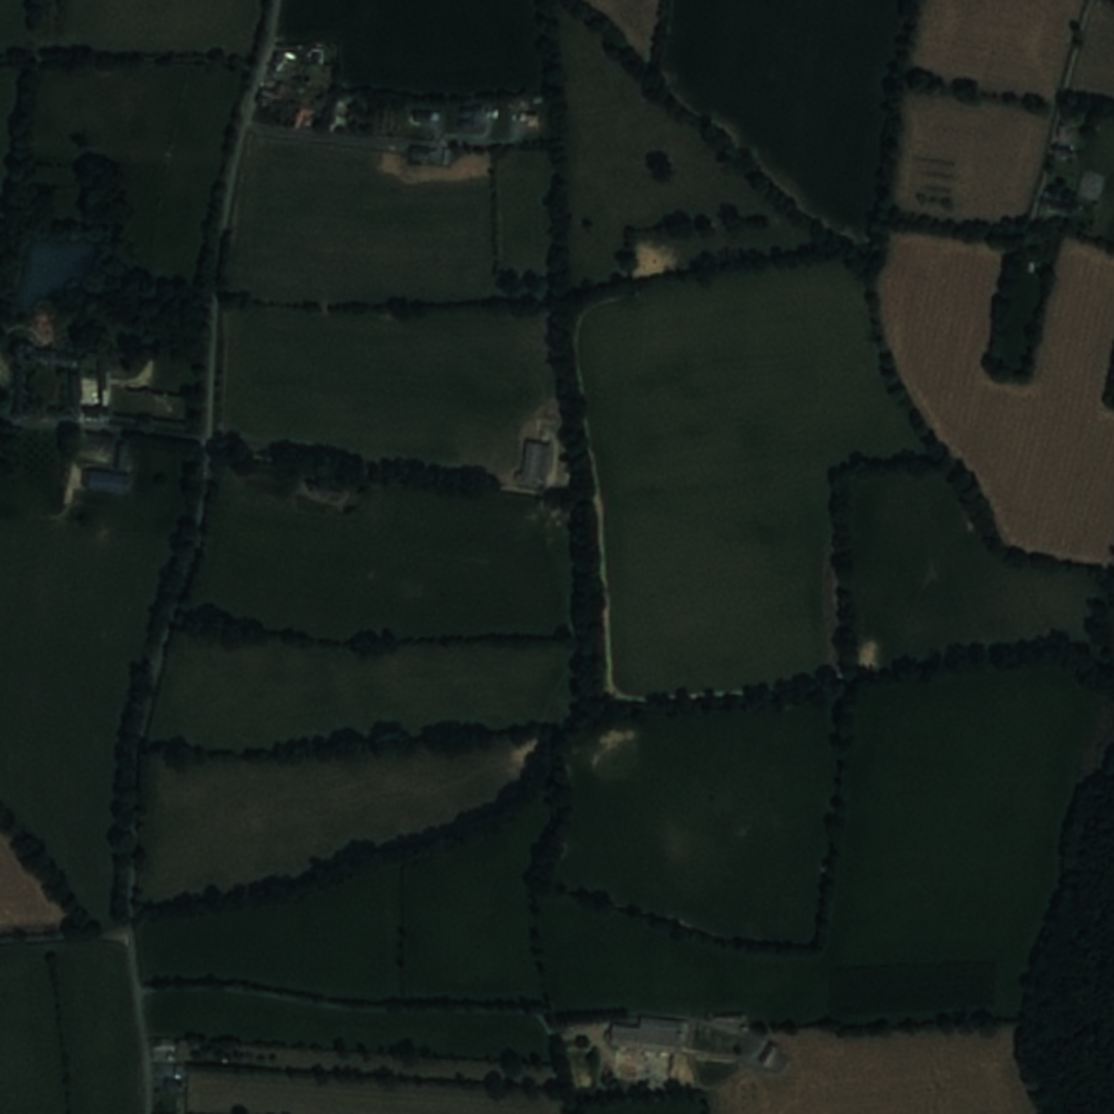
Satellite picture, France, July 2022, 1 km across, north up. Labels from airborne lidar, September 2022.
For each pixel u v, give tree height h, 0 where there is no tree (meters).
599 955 0
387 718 0
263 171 0
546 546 0
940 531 0
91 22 0
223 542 0
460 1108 0
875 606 0
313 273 0
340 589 0
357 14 0
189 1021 0
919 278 0
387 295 0
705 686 0
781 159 0
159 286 15
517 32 0
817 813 0
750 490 0
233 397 0
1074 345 0
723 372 0
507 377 0
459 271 0
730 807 0
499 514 0
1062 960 21
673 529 0
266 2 13
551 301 16
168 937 0
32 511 0
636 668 0
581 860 0
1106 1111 21
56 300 17
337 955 0
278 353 0
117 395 0
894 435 0
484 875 0
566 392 14
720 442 0
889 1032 12
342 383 0
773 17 0
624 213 0
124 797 19
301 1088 0
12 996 0
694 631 0
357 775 0
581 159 0
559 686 0
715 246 0
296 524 0
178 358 20
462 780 0
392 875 0
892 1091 0
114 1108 0
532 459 0
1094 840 19
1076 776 0
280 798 0
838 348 0
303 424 0
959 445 0
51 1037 0
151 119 0
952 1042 0
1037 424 0
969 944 0
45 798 0
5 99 0
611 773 0
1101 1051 17
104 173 23
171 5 0
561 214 16
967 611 0
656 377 0
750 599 0
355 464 21
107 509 0
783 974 0
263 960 0
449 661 0
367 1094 0
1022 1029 11
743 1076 0
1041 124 0
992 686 0
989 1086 0
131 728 17
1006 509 0
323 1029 0
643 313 0
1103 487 0
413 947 0
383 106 13
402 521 0
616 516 0
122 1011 0
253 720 0
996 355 8
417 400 0
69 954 0
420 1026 0
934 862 0
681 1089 21
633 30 0
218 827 0
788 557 0
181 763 21
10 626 0
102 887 0
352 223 0
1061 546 0
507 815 19
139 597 0
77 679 0
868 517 0
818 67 0
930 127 0
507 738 7
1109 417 0
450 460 0
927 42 0
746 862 0
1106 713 0
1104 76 0
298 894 18
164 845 0
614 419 0
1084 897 19
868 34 0
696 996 0
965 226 9
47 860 21
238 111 9
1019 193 0
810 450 0
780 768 0
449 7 0
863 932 0
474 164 0
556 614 0
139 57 14
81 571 0
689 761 0
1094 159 0
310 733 0
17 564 0
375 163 0
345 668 0
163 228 0
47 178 0
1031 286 0
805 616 0
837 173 0
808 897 0
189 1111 0
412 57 0
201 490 21
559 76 19
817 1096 0
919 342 0
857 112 0
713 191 0
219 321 0
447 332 0
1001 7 0
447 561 0
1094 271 0
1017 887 0
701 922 0
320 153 0
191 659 0
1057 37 0
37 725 0
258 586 0
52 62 15
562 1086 16
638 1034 0
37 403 6
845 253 19
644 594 0
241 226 0
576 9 17
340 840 0
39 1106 0
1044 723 0
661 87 20
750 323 0
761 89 0
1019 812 0
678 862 0
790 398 0
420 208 0
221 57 12
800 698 16
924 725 0
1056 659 23
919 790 0
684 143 0
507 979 0
